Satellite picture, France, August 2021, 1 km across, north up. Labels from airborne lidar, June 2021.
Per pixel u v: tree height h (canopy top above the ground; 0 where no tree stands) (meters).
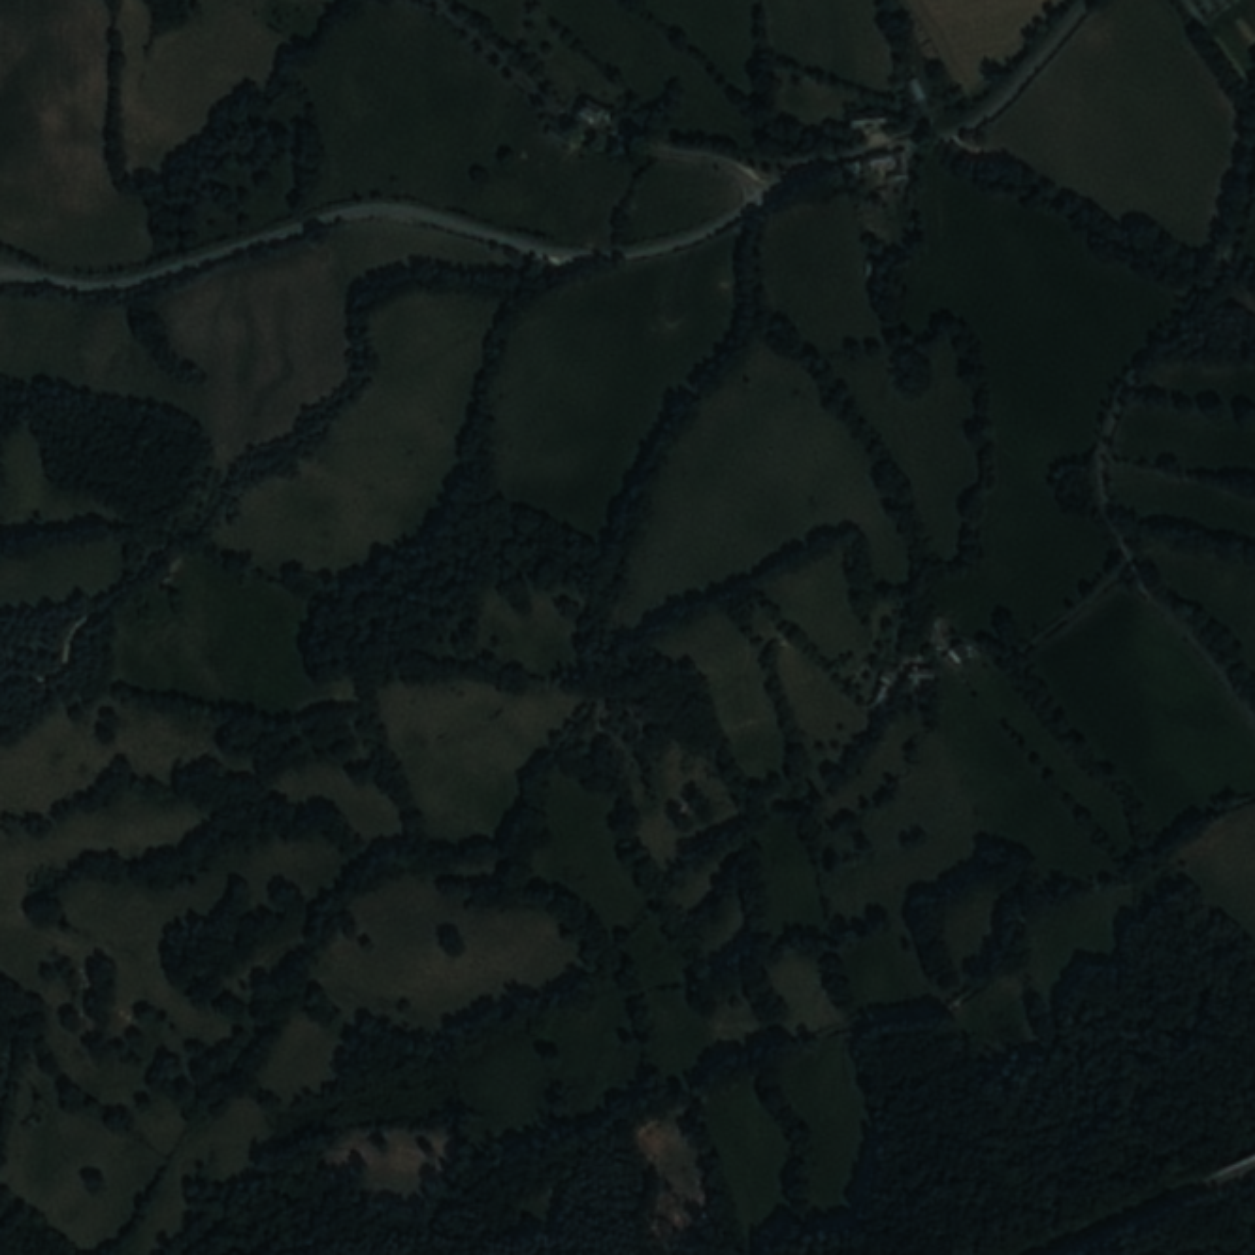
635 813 22
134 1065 13
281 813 26
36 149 0
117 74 13
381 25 0
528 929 0
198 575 0
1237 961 23
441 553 23
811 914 0
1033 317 0
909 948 13
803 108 0
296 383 0
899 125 12
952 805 0
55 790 0
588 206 0
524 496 0
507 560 10
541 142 0
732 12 0
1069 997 17
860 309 0
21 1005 17
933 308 0
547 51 9
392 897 0
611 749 15
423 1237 23
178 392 0
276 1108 10
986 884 25
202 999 17
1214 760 0
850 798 0
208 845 23
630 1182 17
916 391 35
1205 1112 23
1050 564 0
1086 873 0
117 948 0
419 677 16
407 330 0
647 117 9
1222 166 0
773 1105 23
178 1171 0
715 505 0
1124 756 0
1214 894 0
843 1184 0
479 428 14
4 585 0
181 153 13
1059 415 0
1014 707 0
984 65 0
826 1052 0
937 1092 26
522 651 0
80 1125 0
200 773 19
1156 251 21
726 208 0
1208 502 0
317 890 0
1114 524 17
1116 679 0
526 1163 21
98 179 0
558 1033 0
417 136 0
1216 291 17
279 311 0
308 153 14
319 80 0
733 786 23
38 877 7
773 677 13
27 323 0
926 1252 27
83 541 12
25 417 12
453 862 19
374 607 22
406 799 14
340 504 0
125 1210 0
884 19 14
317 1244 19
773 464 0
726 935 0
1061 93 0
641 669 14
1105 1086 23
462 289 11
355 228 0
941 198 0
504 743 0
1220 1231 29
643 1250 21
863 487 0
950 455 0
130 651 0
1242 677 16
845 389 14
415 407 0
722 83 9
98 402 9
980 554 15
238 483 10
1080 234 15
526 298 17
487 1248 26
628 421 0
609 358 0
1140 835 15
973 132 6
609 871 0
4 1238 18
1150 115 0
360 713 11
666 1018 0
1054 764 0
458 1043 27
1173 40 0
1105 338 0
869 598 21
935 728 15
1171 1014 26
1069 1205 24
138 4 0
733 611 16
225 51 0
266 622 0
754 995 24
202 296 0
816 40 0
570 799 0
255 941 20
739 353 18
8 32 0
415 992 0
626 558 13
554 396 0
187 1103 19
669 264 0
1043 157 0
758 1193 0
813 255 0
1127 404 12
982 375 17
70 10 0
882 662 8
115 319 0
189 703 16
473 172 8
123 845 0
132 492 9
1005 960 24
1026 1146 21
